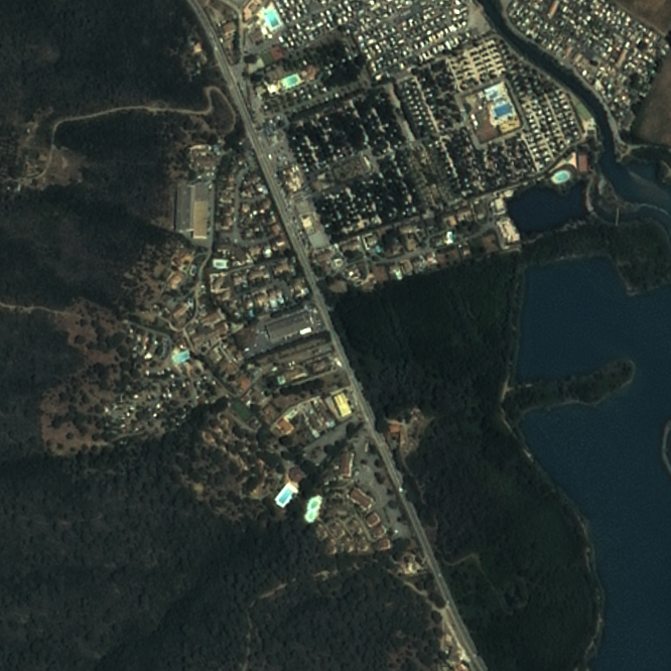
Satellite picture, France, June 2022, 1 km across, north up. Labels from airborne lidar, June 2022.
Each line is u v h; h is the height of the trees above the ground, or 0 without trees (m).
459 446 8
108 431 11
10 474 11
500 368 9
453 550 16
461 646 0
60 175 0
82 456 15
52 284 6
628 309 0
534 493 12
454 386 8
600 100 0
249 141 0
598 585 7
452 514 13
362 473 0
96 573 10
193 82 10
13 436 10
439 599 9
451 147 12
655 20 0
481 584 9
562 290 0
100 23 6
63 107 6
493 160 11
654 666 0
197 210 0
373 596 8
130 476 10
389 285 12
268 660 8
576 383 6
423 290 11
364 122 10
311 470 12
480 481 11
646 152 7
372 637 14
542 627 10
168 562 7
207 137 9
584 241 8
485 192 11
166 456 12
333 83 12
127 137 6
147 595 9
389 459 0
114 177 6
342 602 12
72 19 6
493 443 12
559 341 0
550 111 7
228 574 7
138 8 7
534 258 7
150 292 7
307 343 11
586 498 0
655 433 0
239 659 7
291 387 10
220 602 6
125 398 6
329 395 6
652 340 0
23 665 9
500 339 11
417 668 12
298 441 0
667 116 0
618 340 0
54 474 8
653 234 10
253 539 11
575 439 0
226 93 7
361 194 13
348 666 10
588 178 8
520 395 10
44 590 14
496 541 9
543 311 0
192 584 7
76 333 0
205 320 0
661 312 0
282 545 9
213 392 8
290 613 8
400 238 13
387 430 9
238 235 0
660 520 0
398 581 12
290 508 12
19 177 17
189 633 12
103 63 8
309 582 8
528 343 0
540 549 9
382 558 9
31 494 7
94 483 6
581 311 0
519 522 7
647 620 0
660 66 16
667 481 0
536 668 11
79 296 7
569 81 0
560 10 5
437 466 10
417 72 11
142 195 9
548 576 8
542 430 0
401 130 8
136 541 7
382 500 0
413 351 9
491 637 6
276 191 0
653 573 0
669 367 0
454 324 10
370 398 8
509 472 11
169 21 6
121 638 9
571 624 9
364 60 18
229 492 7
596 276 0
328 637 8
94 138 9
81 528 9
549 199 0
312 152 9
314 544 13
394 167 9
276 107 5
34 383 7
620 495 0
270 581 9
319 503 0
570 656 8
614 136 0
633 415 0
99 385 8
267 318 0
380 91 11
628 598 0
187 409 10
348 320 13
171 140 8
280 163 0
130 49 7
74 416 7
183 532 8
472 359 12
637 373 0
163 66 9
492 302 9
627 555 0
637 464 0
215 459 8
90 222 7
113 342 9
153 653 9
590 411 0
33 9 9
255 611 11
